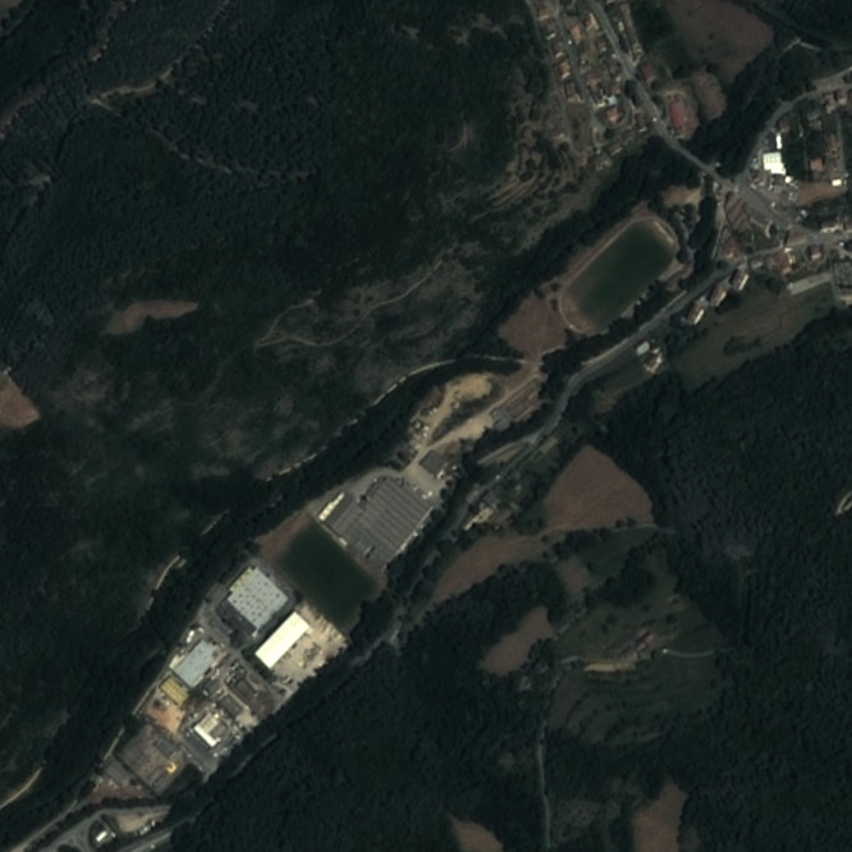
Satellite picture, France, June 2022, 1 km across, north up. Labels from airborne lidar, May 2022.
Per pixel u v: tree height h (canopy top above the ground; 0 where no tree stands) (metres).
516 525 8
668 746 9
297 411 9
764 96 13
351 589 0
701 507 0
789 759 11
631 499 0
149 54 10
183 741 0
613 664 0
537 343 0
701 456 15
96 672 19
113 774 0
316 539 0
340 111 20
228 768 18
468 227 9
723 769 14
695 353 0
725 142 17
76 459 6
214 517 6
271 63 16
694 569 21
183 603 22
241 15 16
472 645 14
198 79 16
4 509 6
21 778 7
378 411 18
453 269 6
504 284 15
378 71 14
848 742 19
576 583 0
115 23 12
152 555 14
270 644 0
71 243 16
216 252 8
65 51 12
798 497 18
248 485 14
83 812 8
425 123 12
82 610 8
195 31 10
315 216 11
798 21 17
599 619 0
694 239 13
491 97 8
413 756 15
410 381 13
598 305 0
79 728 19
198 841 15
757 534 15
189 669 0
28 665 10
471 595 15
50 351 16
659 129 0
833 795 15
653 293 15
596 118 0
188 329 8
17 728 7
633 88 14
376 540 0
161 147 21
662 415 18
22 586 8
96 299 9
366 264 8
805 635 17
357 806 24
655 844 0
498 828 15
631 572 14
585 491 0
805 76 14
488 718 9
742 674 12
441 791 27
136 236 22
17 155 23
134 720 13
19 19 17
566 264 20
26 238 22
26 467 13
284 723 18
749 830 10
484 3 8
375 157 9
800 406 10
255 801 20
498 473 0
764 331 0
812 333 20
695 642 0
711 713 7
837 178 0
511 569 10
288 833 32
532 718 8
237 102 22
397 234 10
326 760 26
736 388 6
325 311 7
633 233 0
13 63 19
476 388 0
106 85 7
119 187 17
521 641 0
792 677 12
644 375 0
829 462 12
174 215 26
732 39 0
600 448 13
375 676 19
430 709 22
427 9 20
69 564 8
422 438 0
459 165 8
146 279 7
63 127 13
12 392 0
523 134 11
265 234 13
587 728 8
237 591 0
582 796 8
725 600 14
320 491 22
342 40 15
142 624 9
